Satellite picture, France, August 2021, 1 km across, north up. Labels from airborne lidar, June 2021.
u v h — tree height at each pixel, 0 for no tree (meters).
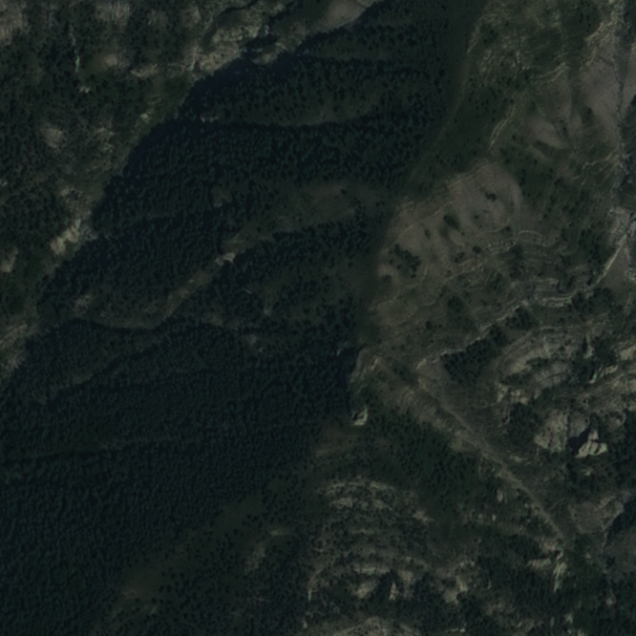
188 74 0
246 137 25
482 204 0
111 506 16
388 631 0
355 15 0
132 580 0
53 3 0
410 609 9
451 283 0
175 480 18
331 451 0
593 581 8
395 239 0
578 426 0
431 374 0
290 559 13
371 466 8
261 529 8
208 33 0
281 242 21
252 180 7
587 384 8
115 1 0
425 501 0
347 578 7
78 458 9
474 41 0
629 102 0
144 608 0
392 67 12
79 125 10
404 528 8
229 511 0
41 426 22
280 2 0
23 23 0
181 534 11
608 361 11
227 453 19
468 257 0
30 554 28
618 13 0
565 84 0
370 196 0
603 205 0
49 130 0
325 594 11
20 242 10
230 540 8
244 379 22
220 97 6
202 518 13
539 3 0
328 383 20
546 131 0
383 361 0
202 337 28
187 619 13
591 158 0
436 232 0
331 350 13
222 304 8
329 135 14
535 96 0
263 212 18
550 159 0
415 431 11
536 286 0
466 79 0
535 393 0
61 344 16
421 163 0
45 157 8
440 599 13
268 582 13
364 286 0
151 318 11
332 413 17
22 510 23
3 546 20
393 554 0
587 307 20
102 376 17
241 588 0
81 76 0
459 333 0
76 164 0
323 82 12
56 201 18
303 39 0
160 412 25
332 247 13
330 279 11
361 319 0
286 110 6
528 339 0
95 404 21
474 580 11
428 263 0
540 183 0
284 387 27
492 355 18
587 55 0
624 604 10
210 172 29
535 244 0
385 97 9
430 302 0
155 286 24
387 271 0
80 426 16
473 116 0
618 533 7
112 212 13
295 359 21
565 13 0
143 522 20
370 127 8
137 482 19
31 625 18
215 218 27
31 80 0
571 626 23
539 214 0
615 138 0
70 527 28
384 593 18
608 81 0
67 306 6
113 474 18
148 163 17
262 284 10
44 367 20
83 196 0
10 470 17
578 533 14
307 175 13
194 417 14
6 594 14
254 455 14
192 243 23
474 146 0
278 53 0
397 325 0
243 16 0
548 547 0
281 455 13
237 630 8
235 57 0
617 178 0
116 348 17
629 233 0
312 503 0
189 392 26
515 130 0
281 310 7
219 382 22
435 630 8
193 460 18
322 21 0
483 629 31
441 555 0
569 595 10
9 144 22
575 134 0
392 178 12
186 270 13
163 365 20
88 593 12
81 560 17
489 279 0
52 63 6
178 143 22
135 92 11
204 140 23
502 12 0
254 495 11
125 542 21
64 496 24
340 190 0
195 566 0
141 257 24
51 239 8
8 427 18
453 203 0
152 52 0
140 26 11
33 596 23
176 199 29
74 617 14
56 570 24
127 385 19
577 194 0
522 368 0
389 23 0
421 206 0
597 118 0
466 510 8
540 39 0
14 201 20
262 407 26
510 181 0
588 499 7
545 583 14
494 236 0
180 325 23
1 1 0
